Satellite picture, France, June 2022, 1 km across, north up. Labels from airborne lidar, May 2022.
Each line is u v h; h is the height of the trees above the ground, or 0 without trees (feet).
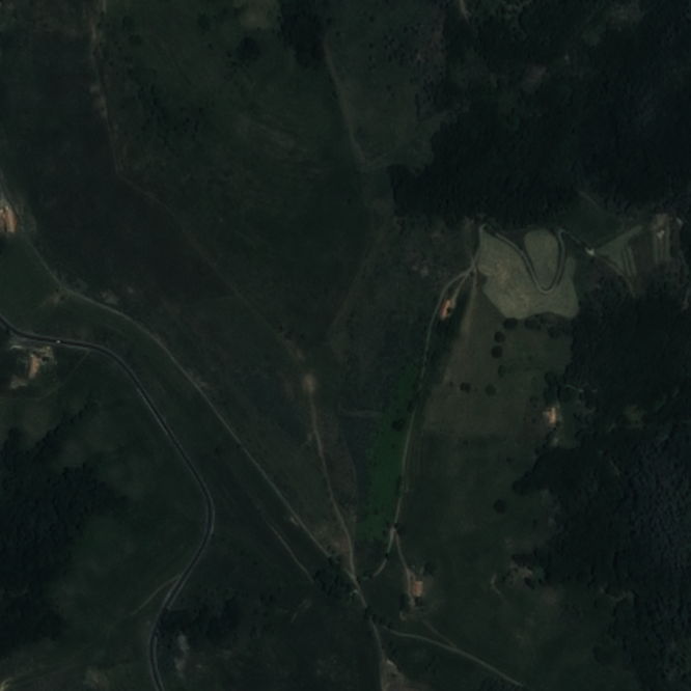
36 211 0
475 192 59
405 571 0
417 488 0
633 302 44
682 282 22
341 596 49
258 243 0
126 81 0
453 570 0
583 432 57
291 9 58
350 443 0
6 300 0
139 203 0
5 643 44
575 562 81
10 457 54
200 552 0
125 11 0
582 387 30
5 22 0
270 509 0
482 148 47
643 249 0
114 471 0
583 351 43
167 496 0
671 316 52
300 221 0
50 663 0
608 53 69
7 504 69
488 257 0
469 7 26
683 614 60
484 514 0
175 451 0
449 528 0
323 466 0
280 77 0
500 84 42
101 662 0
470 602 0
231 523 0
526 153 35
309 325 0
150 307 0
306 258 0
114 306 0
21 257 0
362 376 0
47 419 0
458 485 0
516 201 64
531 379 0
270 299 0
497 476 0
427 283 0
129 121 0
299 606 0
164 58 0
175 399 0
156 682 0
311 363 0
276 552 0
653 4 35
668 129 82
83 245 0
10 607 24
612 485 82
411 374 0
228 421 0
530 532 0
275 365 0
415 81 24
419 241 0
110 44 0
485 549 0
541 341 0
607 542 88
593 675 0
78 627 0
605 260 0
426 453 0
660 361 57
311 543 0
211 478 0
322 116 0
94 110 0
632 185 44
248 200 0
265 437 0
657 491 24
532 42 37
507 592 0
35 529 26
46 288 0
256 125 0
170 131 28
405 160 0
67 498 53
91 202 0
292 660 0
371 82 0
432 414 0
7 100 0
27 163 0
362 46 0
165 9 0
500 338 45
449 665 0
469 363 0
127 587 0
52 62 0
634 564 91
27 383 0
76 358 0
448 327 56
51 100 0
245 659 0
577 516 42
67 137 0
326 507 0
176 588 0
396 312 0
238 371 0
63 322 0
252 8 0
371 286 0
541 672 0
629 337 46
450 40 22
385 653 0
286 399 0
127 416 0
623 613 46
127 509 25
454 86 32
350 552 0
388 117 0
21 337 0
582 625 0
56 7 0
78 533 34
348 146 0
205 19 40
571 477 78
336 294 0
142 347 0
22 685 0
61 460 0
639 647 22
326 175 0
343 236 0
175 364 0
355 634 0
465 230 0
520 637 0
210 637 32
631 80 27
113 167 0
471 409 0
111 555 0
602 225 0
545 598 0
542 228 0
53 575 38
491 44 53
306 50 43
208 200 0
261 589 0
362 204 0
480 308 0
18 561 61
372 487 0
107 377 0
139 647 0
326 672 0
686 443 46
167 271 0
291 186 0
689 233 42
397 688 0
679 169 44
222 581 0
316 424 0
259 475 0
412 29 21
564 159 59
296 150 0
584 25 39
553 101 58
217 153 0
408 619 0
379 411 0
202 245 0
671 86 25
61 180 0
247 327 0
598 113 45
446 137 48
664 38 37
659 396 47
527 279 0
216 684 0
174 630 31
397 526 46
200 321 0
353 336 0
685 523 34
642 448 56
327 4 29
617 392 58
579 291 0
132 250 0
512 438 0
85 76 0
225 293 0
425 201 56
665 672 59
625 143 59
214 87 0
